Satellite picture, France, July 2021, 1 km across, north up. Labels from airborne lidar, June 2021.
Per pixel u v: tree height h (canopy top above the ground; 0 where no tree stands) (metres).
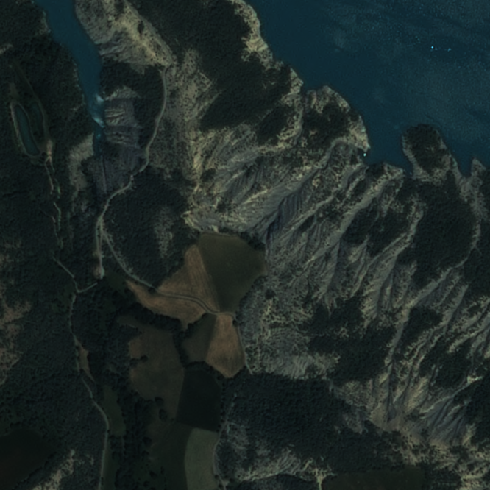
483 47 0
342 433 6
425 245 7
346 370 9
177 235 8
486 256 6
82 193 16
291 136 0
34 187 12
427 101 0
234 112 7
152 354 0
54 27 0
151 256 11
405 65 0
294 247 0
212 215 0
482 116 0
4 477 0
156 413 0
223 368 0
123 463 16
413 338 6
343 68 0
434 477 6
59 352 11
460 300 0
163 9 6
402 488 0
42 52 7
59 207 10
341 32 0
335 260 0
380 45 0
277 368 0
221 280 0
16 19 11
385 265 0
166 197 7
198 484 0
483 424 10
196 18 8
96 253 0
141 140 7
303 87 0
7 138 6
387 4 0
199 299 0
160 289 0
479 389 7
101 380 18
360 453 8
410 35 0
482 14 0
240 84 5
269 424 9
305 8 0
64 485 6
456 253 7
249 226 0
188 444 0
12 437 0
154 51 0
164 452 0
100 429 12
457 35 0
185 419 0
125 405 18
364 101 0
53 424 15
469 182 0
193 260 0
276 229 0
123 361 8
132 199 8
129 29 0
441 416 0
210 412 0
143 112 7
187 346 0
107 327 7
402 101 0
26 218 13
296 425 14
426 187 7
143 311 21
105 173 0
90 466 11
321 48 0
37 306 13
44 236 14
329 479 7
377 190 0
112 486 0
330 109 6
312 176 0
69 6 0
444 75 0
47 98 14
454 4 0
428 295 0
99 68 0
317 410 6
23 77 0
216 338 0
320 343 6
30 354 9
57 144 10
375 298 0
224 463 5
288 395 16
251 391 13
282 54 0
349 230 6
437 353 8
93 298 8
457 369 10
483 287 8
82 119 8
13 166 11
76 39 0
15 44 14
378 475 0
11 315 0
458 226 7
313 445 6
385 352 6
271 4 0
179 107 0
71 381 13
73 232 8
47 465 8
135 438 18
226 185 0
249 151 0
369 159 0
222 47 6
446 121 0
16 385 12
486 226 9
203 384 0
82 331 15
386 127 0
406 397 0
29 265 17
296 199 0
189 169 0
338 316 7
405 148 0
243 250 0
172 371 0
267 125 8
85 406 10
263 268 0
